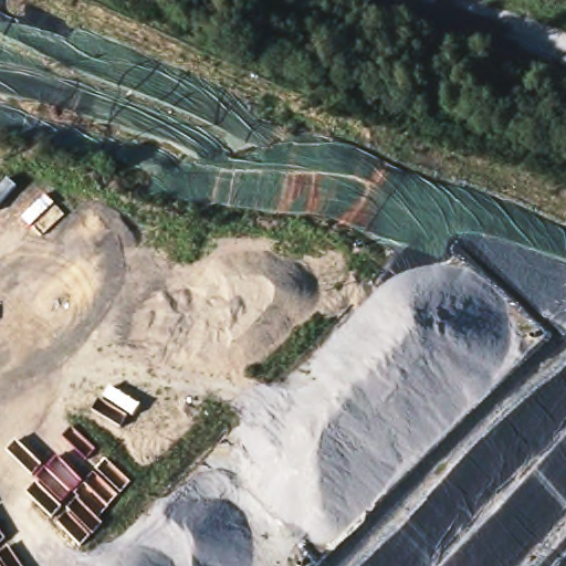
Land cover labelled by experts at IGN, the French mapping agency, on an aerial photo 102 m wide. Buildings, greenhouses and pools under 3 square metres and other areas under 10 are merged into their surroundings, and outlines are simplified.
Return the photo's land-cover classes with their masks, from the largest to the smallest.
<instances>
[{"label":"pervious surface","instance_id":"1","mask_svg":"<svg viewBox=\"0 0 566 566\"><path fill-rule=\"evenodd\" d=\"M40 0H0V119L7 124L2 133H18L20 137H24L27 148L35 146H55L57 150L69 153L75 164H80V159L88 153H104L113 161V170L115 181H111L108 188H119V192L137 199L161 197L164 201L188 203L208 199L214 206L245 210L290 214L292 219L312 214L316 223L325 226L327 221H340V226L367 234L376 243L385 245V265L378 274V281L365 279L360 285L356 283V274L345 265L343 252H338L327 250L323 256L305 254L301 261L274 254V241L263 237L210 239L203 248V256L197 261H170L164 250L155 248L157 234L161 230L159 226H137L128 214L102 201L62 195L57 190L44 197L38 188L31 186L33 177L27 172H18L13 179L7 177L0 181V566H566V226L553 223L509 201L489 197L471 186H455L444 179L411 170L398 161H391L389 157H382L378 150H371L363 142V137L358 142H349L323 128L310 126L305 133L294 137L283 126H276L274 119H263L254 113L256 99L250 93L234 95L232 91L206 82L203 77H197L190 71L168 66L157 57L142 55L126 46H117L104 38H95L91 29H71L57 15L38 9ZM316 314L336 316L340 325L312 354L307 363L298 365L285 382L265 385L248 376L245 369L250 365L263 363L294 334L298 325L307 323ZM206 396L223 400L230 407H234L239 413V427H234L230 433H223L221 442L212 451L201 453L190 464L188 475L175 486L170 495L157 497L148 513L139 515L133 526H128L119 537H115L108 531L113 526V511H108L106 506L113 504L117 493L126 491L128 475L108 455L102 453L91 458V462L80 460L71 451V442L64 438V431L69 427L66 416L77 413L95 420L99 427H104L124 442V447L137 464H150L157 455L168 451L175 440L188 433L192 420L201 413Z\"/></svg>","mask_w":566,"mask_h":566},{"label":"herbaceous vegetation","instance_id":"2","mask_svg":"<svg viewBox=\"0 0 566 566\"><path fill-rule=\"evenodd\" d=\"M38 9L57 15L71 29H91L95 38H104L117 46H126L142 55L157 57L168 66L190 71L197 77H203L206 82L232 91L234 95L250 93L256 99L254 113L263 119H274L276 126H283L294 137L305 133L310 126L323 128L349 142H358L363 137V142L371 150H378L382 157H389L391 161H398L411 170L444 179L455 186H471L489 197L509 201L553 223L566 226V190L542 175L524 170L522 166H506L484 157H469L462 150L440 148L431 142L427 146L422 139L409 137L405 130L398 133L396 128L387 126L367 128L360 119L318 113L316 108H307L303 104L305 99H310V88H303L296 95L294 91H285L283 86L270 82L268 75L250 73L241 64H228L221 55L199 44L195 40V33L177 42L168 33H159L148 24L128 20L115 11L99 7L93 0H40ZM504 9H509V18L526 15V22H531L533 18H551L566 11V0H506ZM40 150L35 146L27 148H0V181L7 177L13 179L18 172H27L33 177L31 186L38 188L44 197L57 190L62 195L102 201L128 214L137 226H159L161 230L157 234L155 248L164 250L170 261H197L192 256L195 239L186 228V221L181 219L186 214L188 203L164 201L161 197L137 199L119 192V188H108L111 181H115L113 170L108 175H99L97 170H82L80 164H75L69 166L73 175L71 179L64 177V172H55L53 168H42L33 159V155ZM263 237L274 241V254L301 261L305 254L323 256L327 250L338 252L343 248V237L338 232L325 230V226L316 223L312 214L292 219L290 214L245 210V217L228 226H219L212 221L210 239ZM340 325L336 316L316 314L307 323L298 325L294 334L263 363L250 365L245 369L248 376L265 385L285 382L298 365L307 363L312 354ZM69 427L64 431V438L71 442V451L80 460L91 462V458L102 453L108 455L128 475L126 491L117 493L113 504L106 506L108 511H113V526L108 531L115 537H119L128 526H133L139 515L148 513L157 497L170 495L175 486L188 475L190 464L201 453L212 451L221 442L223 433H230L234 427H239V413L234 407H230L223 400L206 396L201 413L192 420L188 433L175 440L168 451L157 455L150 464H137L124 447V442L104 427H99L95 420L77 413L66 416Z\"/></svg>","mask_w":566,"mask_h":566},{"label":"deciduous trees","instance_id":"3","mask_svg":"<svg viewBox=\"0 0 566 566\"><path fill-rule=\"evenodd\" d=\"M402 0H166L161 4L164 15L184 29H192L195 33V40L199 44L221 55L228 64H241L250 73L268 75L270 82L283 86L285 91H294L296 95L303 88H310L312 82L321 77H332L336 84L358 86L365 95L380 99L389 111L398 113L411 86L416 93L422 95L425 111L429 117L444 111L449 117L464 119L469 128L482 133L489 142L509 139L511 148L517 153L528 150L566 159V75H553L548 80L544 64L535 62L537 53L526 51L517 40L486 44L482 35H442L427 20L411 15L407 7L400 4Z\"/></svg>","mask_w":566,"mask_h":566},{"label":"brushwood","instance_id":"4","mask_svg":"<svg viewBox=\"0 0 566 566\"><path fill-rule=\"evenodd\" d=\"M99 7L115 11L128 20L148 24L159 33H168L177 42L195 33L192 29H184L164 15L161 4L166 0H93ZM303 104L307 108H316L318 113L360 119L367 128L387 126L396 128L398 133L405 130L409 137L422 139L427 146L431 142L440 148L462 150L469 157H484L506 166H522L524 170L542 175L566 190V159L528 150L517 153L511 148L509 139L489 142L482 133L469 128L464 119L449 117L444 111L429 117L425 111L422 95L416 93L411 86L398 113L389 111L380 99L365 95L358 86L336 84L332 77H321L312 82L310 88V99H305ZM7 124L0 119V148H27L24 137H20L18 133H2ZM35 146L40 150L33 155V159L42 168H53L55 172H64V177L71 179L73 175L69 166L75 164L69 153L57 150L55 146ZM82 170H97L99 175H108L113 170V161L104 153H88L80 159V164ZM245 217V210L214 206L208 199L188 203L186 214L181 219L186 221V228L195 239L192 256L197 261L203 256V248L210 239L212 221L219 226H228ZM325 230L338 232L343 237V248L338 252H343L345 265L356 274V283L360 285L365 279L378 281V274L385 265V245L376 243L367 234L340 226V221H327L325 226Z\"/></svg>","mask_w":566,"mask_h":566},{"label":"impervious surface","instance_id":"5","mask_svg":"<svg viewBox=\"0 0 566 566\"><path fill-rule=\"evenodd\" d=\"M506 0H402L400 4L407 7L411 15L427 20L442 35H482L486 44L517 40L526 51L537 53L535 62L544 64L548 80L553 75H566V11L551 18H533L531 22H526V15L509 18V9H504Z\"/></svg>","mask_w":566,"mask_h":566}]
</instances>
